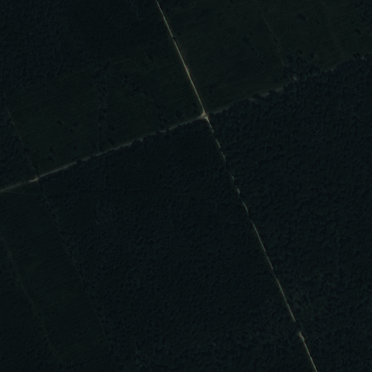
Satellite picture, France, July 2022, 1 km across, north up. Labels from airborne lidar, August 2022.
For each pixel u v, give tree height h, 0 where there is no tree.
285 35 0
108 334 18
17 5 18
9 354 17
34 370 17
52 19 24
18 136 7
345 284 31
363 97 26
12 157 25
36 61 20
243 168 28
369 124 22
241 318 26
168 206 23
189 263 22
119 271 25
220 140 24
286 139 25
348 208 31
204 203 27
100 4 22
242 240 22
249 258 24
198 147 25
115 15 25
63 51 18
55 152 25
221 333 29
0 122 23
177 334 30
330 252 26
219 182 21
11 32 27
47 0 21
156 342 30
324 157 29
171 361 30
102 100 23
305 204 30
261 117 27
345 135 28
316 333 21
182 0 24
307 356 17
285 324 29
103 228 13
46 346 16
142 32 27
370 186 28
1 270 20
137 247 19
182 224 22
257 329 9
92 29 25
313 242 30
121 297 25
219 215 25
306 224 26
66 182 21
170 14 25
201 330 31
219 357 23
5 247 13
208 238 25
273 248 24
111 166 23
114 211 20
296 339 24
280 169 25
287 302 0
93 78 20
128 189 24
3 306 14
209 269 26
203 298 25
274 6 0
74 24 22
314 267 25
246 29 0
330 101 28
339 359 28
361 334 30
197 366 27
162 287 27
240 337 28
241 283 22
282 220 25
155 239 23
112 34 25
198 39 0
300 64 25
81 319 6
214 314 27
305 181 27
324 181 29
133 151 22
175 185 26
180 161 23
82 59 26
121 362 22
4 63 17
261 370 20
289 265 27
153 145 25
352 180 27
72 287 6
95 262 27
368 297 17
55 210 20
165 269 23
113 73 11
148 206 24
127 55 21
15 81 19
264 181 28
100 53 25
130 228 22
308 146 24
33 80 22
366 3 27
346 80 29
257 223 17
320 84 26
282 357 19
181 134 22
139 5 23
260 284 21
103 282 25
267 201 25
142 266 21
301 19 28
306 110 25
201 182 25
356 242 28
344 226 32
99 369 12
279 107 26
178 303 22
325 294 28
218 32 0
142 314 24
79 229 22
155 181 23
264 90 0
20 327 17
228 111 8
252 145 25
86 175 19
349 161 30
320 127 27
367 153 27
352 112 27
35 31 18
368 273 20
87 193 22
